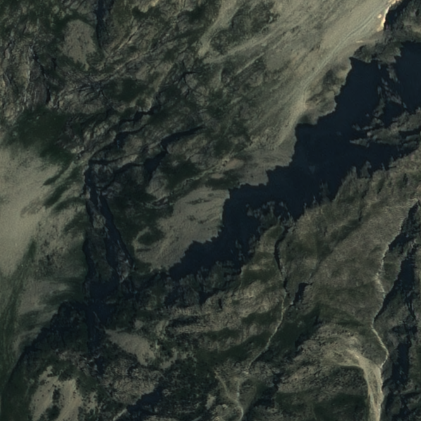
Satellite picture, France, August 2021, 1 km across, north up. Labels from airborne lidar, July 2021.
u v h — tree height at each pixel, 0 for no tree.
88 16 0
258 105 0
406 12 0
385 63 0
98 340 8
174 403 7
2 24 0
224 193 0
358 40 0
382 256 0
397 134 0
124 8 0
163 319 0
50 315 0
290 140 0
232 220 0
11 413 0
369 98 0
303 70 0
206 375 0
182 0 0
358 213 0
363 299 0
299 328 0
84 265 0
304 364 6
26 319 0
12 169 0
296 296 0
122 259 0
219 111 0
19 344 0
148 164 0
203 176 0
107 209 0
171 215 0
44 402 0
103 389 0
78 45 0
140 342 0
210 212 0
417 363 0
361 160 0
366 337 0
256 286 0
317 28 0
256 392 0
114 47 0
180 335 6
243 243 0
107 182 0
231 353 0
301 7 0
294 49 0
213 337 0
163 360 0
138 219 0
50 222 0
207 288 0
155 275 0
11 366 0
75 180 0
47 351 0
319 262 0
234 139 0
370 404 0
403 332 0
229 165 0
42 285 0
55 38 0
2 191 0
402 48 0
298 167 0
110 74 0
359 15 0
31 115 0
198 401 7
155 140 0
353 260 0
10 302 0
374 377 0
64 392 0
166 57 0
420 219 0
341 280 0
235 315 0
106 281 0
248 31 0
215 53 0
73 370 0
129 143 0
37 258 0
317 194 0
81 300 0
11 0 0
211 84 0
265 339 0
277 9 0
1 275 0
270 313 0
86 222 0
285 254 0
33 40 0
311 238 0
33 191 0
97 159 0
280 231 0
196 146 0
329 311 0
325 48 0
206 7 0
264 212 0
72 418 0
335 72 0
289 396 0
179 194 0
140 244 0
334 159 0
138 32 0
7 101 0
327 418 0
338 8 0
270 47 0
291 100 0
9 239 0
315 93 0
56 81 0
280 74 0
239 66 0
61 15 0
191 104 0
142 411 9
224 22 0
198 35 0
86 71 0
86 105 0
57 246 0
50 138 0
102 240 0
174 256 0
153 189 0
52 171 0
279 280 0
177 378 11
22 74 0
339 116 0
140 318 0
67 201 0
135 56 0
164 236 0
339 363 0
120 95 0
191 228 0
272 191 0
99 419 7
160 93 0
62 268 0
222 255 0
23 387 0
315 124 0
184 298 0
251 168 0
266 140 0
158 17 0
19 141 0
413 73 0
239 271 0
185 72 0
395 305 0
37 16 0
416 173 0
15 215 0
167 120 0
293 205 0
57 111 0
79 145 0
